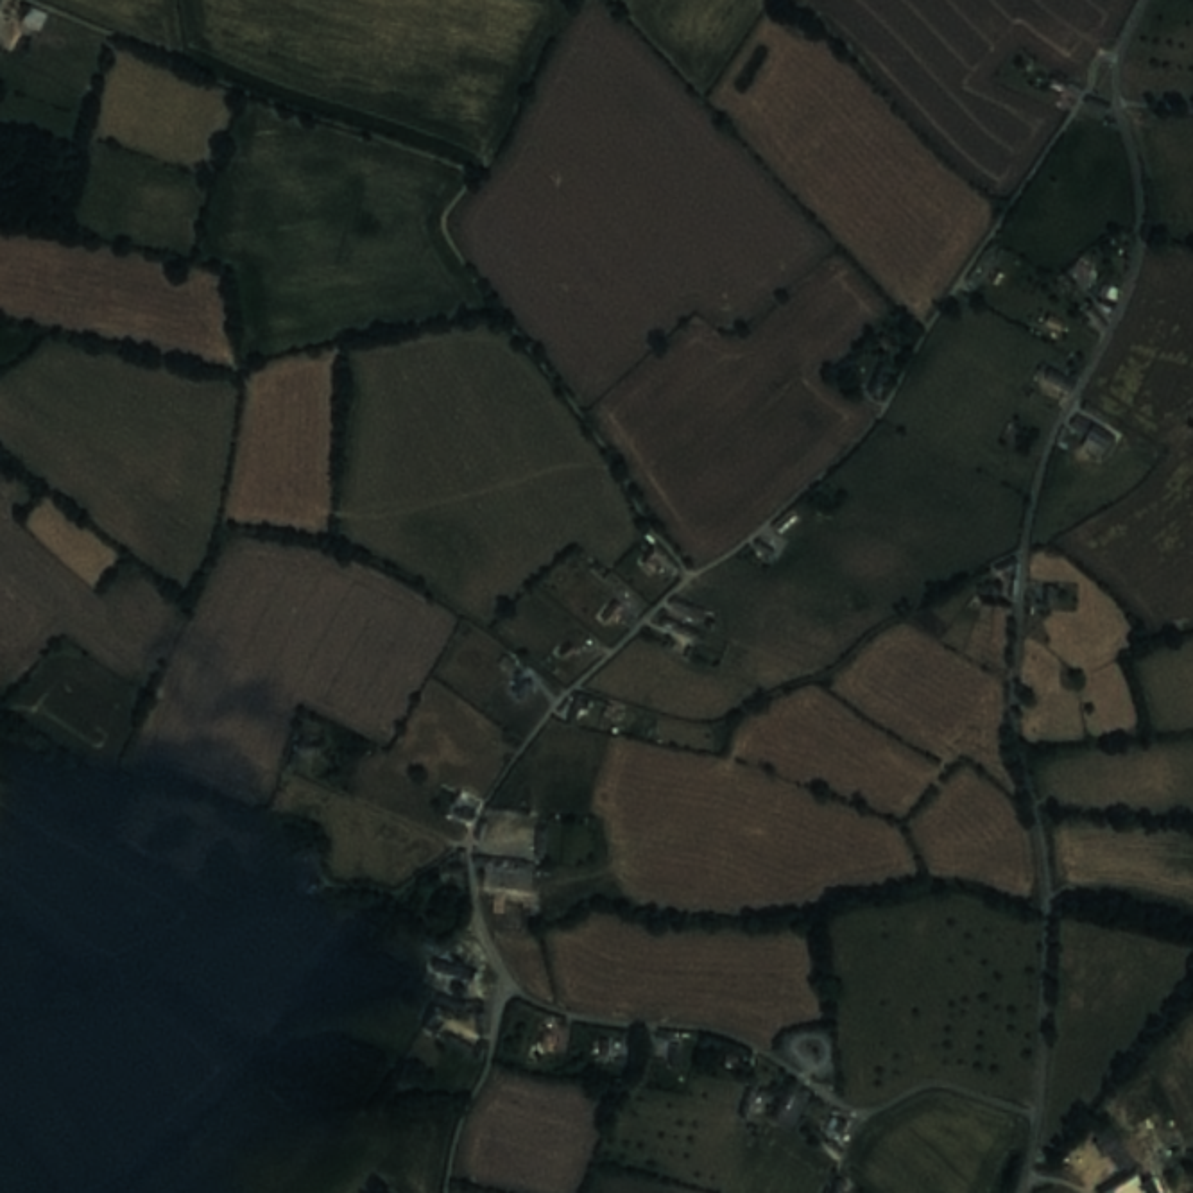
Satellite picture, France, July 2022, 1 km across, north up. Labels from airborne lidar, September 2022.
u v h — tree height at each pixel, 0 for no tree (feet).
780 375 0
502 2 0
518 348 33
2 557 0
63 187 63
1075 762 0
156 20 0
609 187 0
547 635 0
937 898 47
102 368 0
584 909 30
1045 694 0
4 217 63
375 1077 61
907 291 0
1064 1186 0
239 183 0
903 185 0
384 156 0
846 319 0
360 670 0
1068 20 0
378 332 48
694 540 0
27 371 0
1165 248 51
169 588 54
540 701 0
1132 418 0
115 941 0
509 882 0
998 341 0
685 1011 0
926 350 0
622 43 0
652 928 65
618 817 0
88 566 0
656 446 0
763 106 0
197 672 0
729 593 0
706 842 0
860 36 0
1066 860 0
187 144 0
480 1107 0
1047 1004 21
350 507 0
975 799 0
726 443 0
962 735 0
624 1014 0
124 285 0
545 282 0
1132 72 0
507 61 0
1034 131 0
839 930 0
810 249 0
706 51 0
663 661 0
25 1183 0
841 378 50
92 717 0
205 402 0
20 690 27
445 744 0
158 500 0
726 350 0
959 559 0
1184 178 0
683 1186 18
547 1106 0
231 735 0
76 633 0
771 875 0
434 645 0
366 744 19
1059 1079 0
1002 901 56
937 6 0
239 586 0
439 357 0
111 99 0
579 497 0
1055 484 0
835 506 19
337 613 0
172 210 0
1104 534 0
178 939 0
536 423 0
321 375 0
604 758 0
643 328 0
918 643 0
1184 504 0
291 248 0
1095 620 0
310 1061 70
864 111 0
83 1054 0
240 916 0
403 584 21
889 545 0
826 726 0
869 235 0
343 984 55
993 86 0
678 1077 0
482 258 0
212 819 0
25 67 0
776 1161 0
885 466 0
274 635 0
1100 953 0
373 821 0
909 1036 0
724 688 0
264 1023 0
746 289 0
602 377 0
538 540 0
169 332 0
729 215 0
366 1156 0
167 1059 0
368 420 0
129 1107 0
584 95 0
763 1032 0
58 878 0
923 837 0
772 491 0
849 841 0
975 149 0
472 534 0
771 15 56
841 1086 24
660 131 0
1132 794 0
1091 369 0
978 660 0
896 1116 0
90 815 0
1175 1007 46
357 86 0
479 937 0
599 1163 24
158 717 0
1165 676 0
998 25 0
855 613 0
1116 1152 0
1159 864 0
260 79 0
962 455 0
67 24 0
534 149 0
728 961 0
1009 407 0
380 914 67
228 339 34
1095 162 0
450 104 0
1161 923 70
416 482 0
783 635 0
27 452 0
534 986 0
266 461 0
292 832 25
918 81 0
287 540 40
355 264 0
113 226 0
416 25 0
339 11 0
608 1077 26
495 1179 0
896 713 0
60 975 41
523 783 0
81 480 0
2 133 67
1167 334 0
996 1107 0
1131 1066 58
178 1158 44
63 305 0
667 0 0
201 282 0
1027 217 0
